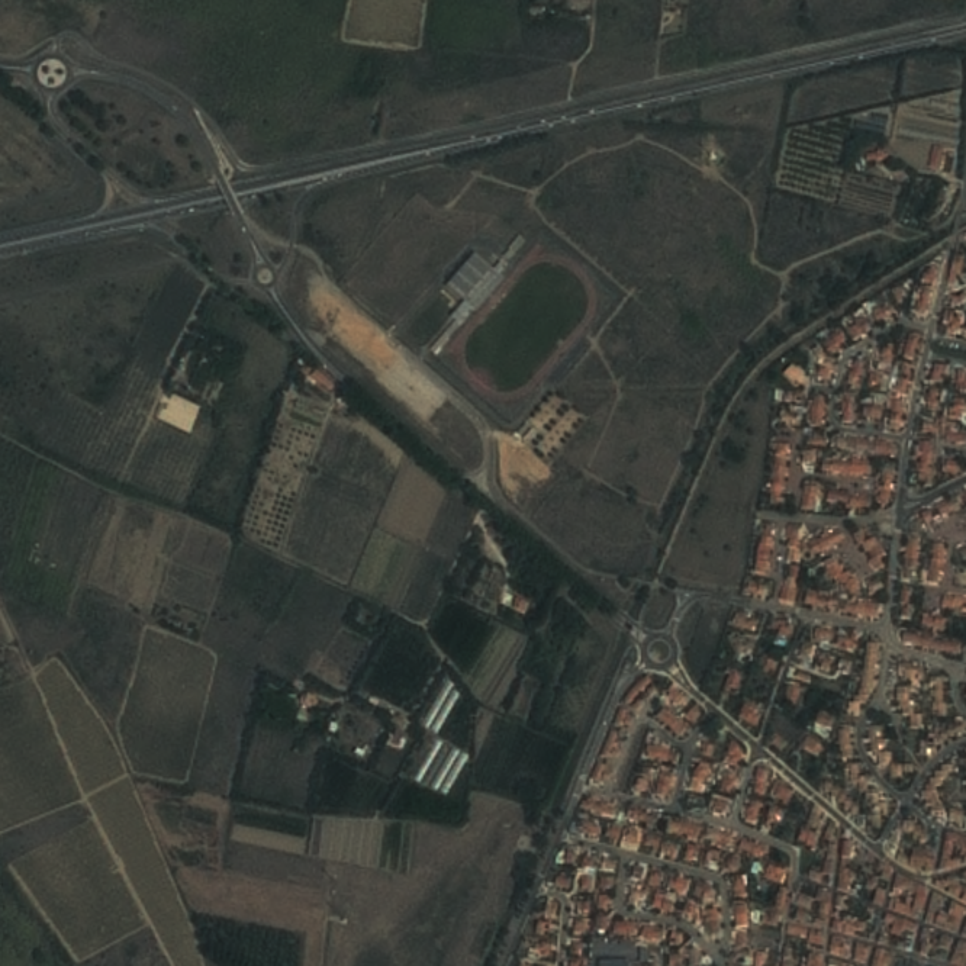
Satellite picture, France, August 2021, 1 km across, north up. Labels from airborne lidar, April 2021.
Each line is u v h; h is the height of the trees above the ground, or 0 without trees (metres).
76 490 0
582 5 0
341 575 0
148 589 0
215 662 0
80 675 0
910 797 0
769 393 0
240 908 0
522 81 0
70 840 0
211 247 0
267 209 0
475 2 0
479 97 0
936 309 0
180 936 0
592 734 0
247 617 0
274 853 0
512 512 0
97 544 0
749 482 0
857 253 0
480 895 0
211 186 0
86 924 0
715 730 16
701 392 0
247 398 0
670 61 0
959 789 0
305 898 0
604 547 0
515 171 0
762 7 0
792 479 0
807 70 0
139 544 0
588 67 0
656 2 0
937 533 0
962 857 0
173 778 0
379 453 0
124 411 0
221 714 0
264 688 17
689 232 0
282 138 0
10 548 0
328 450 0
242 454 0
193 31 0
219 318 0
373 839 0
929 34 0
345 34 0
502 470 0
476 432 0
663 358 0
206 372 6
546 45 0
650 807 0
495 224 0
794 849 0
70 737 0
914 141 0
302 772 0
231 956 20
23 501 0
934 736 0
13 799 0
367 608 6
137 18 0
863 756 0
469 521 0
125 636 0
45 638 0
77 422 0
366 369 0
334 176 0
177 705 0
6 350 0
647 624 0
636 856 0
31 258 0
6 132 0
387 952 0
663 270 0
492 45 0
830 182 0
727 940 0
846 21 0
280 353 0
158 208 0
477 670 0
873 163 0
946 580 0
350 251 0
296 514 0
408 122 0
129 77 0
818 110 0
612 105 0
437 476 20
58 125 0
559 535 0
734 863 0
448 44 0
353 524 0
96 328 0
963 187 0
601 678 0
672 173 0
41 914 0
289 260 0
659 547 0
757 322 0
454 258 0
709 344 0
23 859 0
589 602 18
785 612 0
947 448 0
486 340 0
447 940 0
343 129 0
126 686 0
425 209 0
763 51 0
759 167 0
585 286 0
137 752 0
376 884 0
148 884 0
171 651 0
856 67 11
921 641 0
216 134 0
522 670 5
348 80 0
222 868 0
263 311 18
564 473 0
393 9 0
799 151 0
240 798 6
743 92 0
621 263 0
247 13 0
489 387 0
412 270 0
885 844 0
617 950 0
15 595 0
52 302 0
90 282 0
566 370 0
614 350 0
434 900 0
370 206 0
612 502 0
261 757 0
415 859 0
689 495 0
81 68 0
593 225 0
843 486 0
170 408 0
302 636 0
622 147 0
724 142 0
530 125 0
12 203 0
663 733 0
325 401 0
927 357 0
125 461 0
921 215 8
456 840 0
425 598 0
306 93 0
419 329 0
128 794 0
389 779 6
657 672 0
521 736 0
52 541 0
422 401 0
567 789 0
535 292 0
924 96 6
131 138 0
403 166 0
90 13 0
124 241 0
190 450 0
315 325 0
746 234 0
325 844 0
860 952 0
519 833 0
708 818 0
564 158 0
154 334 0
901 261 0
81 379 0
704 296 0
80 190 0
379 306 0
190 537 0
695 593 0
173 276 0
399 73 0
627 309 0
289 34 0
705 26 0
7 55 0
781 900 0
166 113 0
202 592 0
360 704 19
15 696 0
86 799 0
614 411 0
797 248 0
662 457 0
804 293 0
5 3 0
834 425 0
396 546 0
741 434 0
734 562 0
